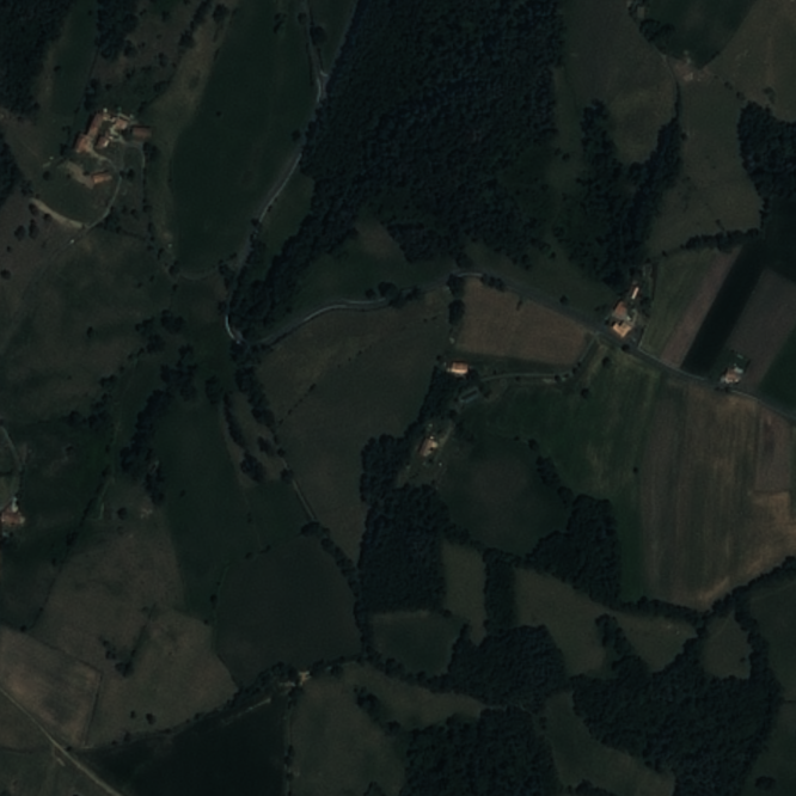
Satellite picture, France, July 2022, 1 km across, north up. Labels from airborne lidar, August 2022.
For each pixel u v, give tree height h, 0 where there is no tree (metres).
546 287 0
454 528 11
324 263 0
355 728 0
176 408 0
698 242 17
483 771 23
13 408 0
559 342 0
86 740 0
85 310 0
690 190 0
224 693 0
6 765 0
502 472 0
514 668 15
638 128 0
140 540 0
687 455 0
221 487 0
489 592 10
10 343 0
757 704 9
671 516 0
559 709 0
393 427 0
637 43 0
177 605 0
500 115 13
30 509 0
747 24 0
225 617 0
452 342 0
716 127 0
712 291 0
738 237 14
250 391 20
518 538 0
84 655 0
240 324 24
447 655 0
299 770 0
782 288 0
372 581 16
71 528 0
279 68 0
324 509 0
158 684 0
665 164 22
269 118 0
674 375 0
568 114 0
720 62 0
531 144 17
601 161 23
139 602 0
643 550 0
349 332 0
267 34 0
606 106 25
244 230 0
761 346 0
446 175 24
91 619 0
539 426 0
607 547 21
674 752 21
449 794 24
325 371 0
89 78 0
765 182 16
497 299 0
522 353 0
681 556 0
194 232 0
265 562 0
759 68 0
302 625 0
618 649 14
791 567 17
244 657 0
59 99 0
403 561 17
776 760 0
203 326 0
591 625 0
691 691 17
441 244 18
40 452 0
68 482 0
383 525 24
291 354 0
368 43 22
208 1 9
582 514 13
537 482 0
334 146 16
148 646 0
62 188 0
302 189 0
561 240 7
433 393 10
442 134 32
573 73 0
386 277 0
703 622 11
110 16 14
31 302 0
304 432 0
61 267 0
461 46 27
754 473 0
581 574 17
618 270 9
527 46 26
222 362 0
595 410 0
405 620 0
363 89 16
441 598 8
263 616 0
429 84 13
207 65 0
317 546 0
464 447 0
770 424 0
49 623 0
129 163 0
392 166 24
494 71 30
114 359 0
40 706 0
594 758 0
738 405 0
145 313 0
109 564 0
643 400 0
